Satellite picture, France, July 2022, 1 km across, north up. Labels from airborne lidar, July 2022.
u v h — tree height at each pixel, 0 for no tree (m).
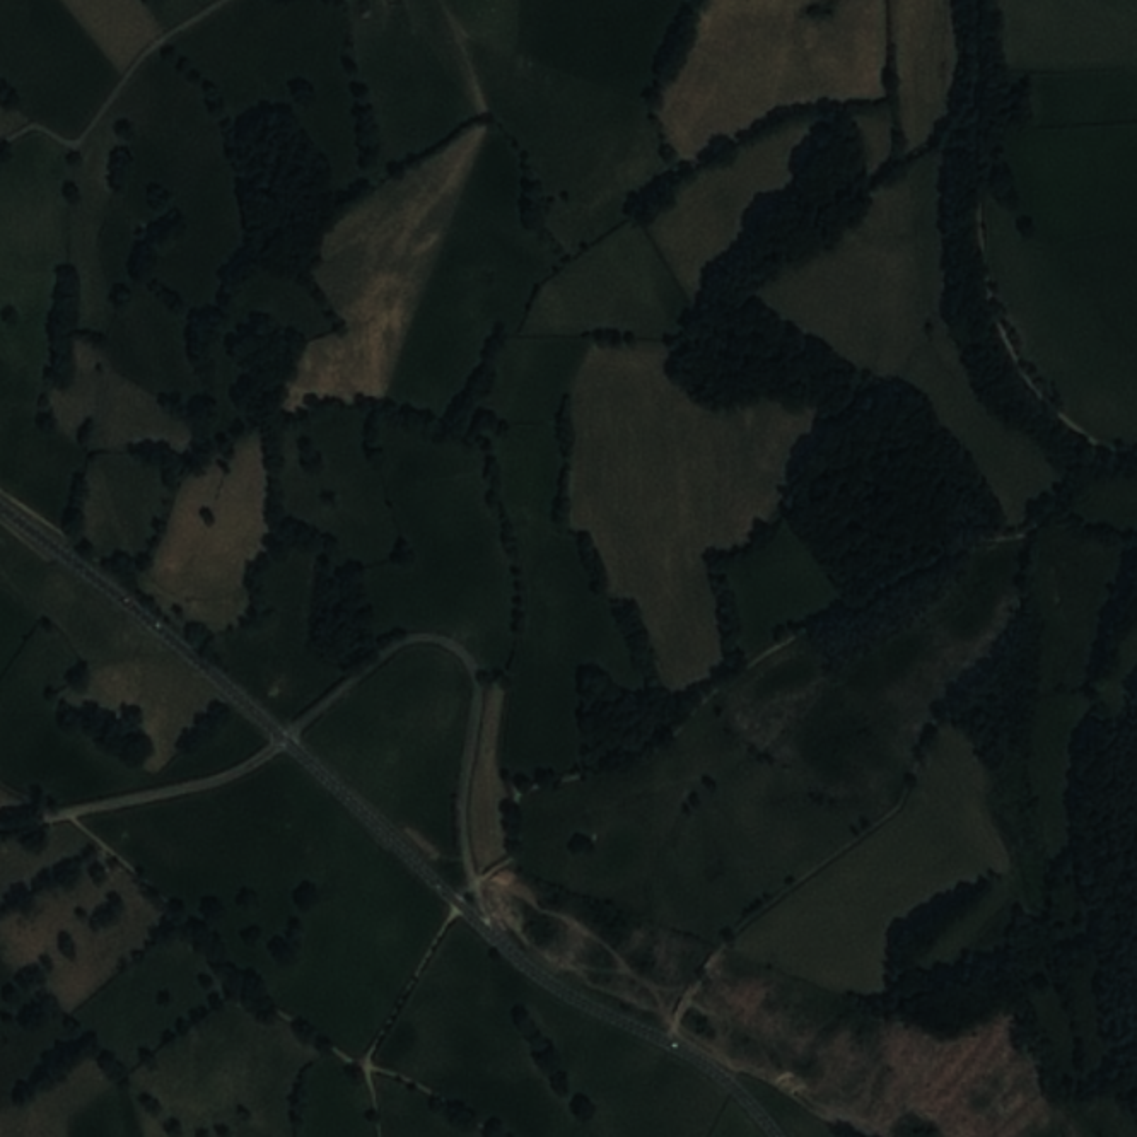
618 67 0
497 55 0
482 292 0
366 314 0
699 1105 0
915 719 0
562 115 0
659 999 0
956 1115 0
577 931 0
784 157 0
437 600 0
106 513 0
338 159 0
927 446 28
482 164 0
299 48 0
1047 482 0
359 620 16
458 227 0
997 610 0
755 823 0
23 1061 0
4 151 15
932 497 28
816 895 0
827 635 27
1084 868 27
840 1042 0
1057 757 0
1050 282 0
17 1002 12
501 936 0
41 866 0
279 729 0
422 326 0
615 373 0
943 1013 26
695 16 17
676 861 0
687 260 0
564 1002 0
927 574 27
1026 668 22
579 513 0
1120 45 0
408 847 0
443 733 0
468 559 0
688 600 0
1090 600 0
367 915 0
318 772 0
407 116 0
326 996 0
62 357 21
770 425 0
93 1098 0
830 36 0
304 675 0
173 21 0
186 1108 0
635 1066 0
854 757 0
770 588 0
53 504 0
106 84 0
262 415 18
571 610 0
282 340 13
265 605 12
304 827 0
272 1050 0
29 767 0
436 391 0
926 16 0
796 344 26
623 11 0
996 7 7
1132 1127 0
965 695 24
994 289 10
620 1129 0
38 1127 0
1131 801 16
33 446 0
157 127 0
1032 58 0
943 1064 0
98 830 0
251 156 20
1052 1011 0
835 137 28
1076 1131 0
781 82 0
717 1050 0
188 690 0
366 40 0
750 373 30
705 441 0
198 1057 0
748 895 0
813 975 0
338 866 0
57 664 0
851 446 28
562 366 0
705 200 0
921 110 0
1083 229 0
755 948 0
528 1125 0
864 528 26
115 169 18
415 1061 0
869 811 0
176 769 0
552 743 0
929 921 24
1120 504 0
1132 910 18
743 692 0
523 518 0
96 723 22
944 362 0
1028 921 12
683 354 21
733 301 22
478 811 0
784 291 0
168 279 0
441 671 0
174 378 0
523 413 0
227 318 17
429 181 0
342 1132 0
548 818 0
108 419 0
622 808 0
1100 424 0
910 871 0
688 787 0
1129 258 0
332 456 0
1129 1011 26
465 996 0
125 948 0
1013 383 11
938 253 0
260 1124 0
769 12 0
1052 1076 23
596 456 0
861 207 25
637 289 0
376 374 0
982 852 0
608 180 0
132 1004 0
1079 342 0
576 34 0
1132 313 0
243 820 0
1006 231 0
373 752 0
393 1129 0
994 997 25
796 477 25
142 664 0
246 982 18
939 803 0
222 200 0
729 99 0
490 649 0
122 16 0
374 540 0
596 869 0
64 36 0
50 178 0
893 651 0
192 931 18
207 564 0
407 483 0
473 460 0
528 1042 13
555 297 0
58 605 0
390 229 0
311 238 25
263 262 21
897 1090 0
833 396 26
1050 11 0
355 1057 0
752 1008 0
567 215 0
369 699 0
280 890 0
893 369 0
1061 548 0
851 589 22
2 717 0
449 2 0
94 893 0
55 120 0
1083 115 0
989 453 0
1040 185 0
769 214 29
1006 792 0
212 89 12
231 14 0
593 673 18
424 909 0
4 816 15
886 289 0
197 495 0
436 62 0
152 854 0
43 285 0
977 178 21
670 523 0
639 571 0
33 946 0
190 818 0
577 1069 0
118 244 0
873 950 0
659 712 20
